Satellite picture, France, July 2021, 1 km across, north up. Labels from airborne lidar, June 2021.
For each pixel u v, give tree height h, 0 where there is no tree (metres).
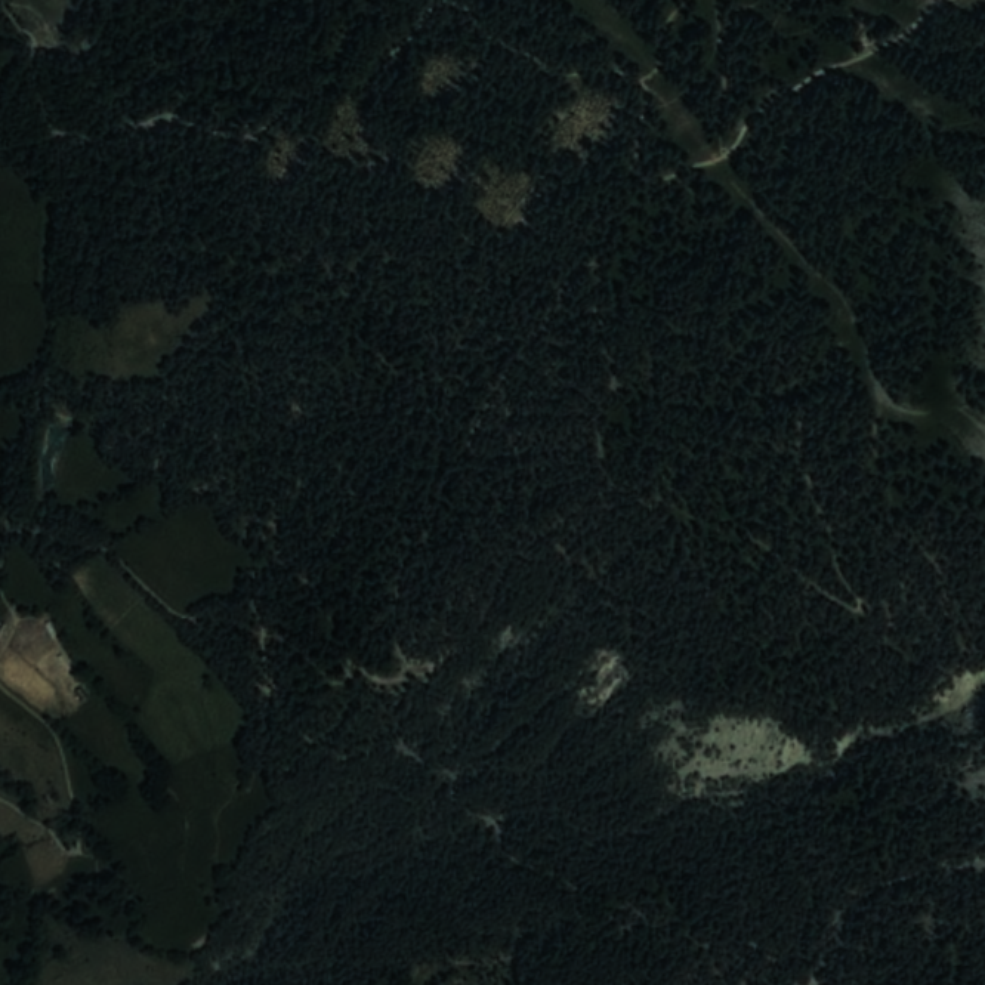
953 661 9
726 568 19
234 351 16
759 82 14
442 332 17
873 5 0
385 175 27
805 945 9
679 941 10
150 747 17
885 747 12
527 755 12
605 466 12
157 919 0
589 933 9
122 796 20
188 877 0
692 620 12
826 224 28
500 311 14
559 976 16
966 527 13
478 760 9
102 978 0
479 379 14
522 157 29
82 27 24
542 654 13
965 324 21
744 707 6
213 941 13
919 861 11
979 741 8
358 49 20
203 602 10
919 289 19
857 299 26
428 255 14
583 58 26
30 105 12
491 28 26
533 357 24
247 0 6
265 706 15
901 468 21
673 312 21
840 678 17
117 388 13
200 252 12
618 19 0
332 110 20
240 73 28
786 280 0
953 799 14
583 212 11
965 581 16
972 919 12
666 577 16
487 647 11
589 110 0
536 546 12
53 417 14
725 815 7
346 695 6
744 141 0
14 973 18
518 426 16
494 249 27
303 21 25
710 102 23
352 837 7
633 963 15
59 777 0
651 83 0
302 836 9
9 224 0
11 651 0
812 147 22
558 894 17
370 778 13
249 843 10
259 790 0
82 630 0
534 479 18
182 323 0
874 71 0
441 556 24
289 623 13
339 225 18
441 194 24
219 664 17
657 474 18
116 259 14
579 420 15
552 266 23
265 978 12
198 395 21
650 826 10
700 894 16
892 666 18
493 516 18
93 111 23
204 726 0
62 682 0
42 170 12
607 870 17
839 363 26
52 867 0
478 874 16
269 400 16
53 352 10
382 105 27
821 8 17
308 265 9
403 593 12
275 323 17
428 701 14
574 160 23
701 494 19
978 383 18
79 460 0
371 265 16
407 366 11
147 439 20
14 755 0
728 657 12
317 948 15
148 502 0
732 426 15
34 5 0
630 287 8
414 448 22
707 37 21
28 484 19
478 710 14
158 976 0
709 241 13
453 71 0
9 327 0
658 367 13
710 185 24
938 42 28
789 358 15
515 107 27
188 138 16
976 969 15
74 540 13
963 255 22
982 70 22
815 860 9
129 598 0
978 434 0
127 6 21
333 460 17
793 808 10
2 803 0
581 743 12
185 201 24
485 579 16
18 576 0
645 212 22
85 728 0
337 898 15
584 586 13
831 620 12
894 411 0
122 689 0
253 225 12
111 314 19
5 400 17
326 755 8
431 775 7
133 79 10
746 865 6
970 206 0
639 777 8
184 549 0
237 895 11
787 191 29
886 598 9
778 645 15
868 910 15
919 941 16
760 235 28
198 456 9
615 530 12
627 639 10
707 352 15
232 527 19
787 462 22
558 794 12
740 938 11
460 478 25
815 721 14
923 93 0
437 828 9
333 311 15
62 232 21
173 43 12
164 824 0
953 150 24
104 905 18
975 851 9
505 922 18
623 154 18
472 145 27
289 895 6
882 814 24
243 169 8
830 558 16
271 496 12
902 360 15
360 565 9
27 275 0
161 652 0
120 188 19
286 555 20
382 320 17
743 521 17
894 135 25
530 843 12
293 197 18
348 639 11
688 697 9
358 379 13
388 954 12
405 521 20
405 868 12
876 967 18
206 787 0
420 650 15
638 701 9
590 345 15
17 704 0
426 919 18
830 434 14
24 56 22
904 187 25
